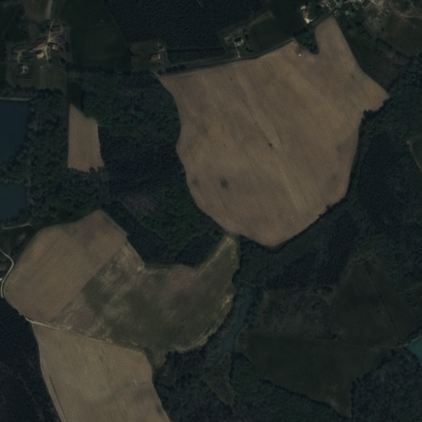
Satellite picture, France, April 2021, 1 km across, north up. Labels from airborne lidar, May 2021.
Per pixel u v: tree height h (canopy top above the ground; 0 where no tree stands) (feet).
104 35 0
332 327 0
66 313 0
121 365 0
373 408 58
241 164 0
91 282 0
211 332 0
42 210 76
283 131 0
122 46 0
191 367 74
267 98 0
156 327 0
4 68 0
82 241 0
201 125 0
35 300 0
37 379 42
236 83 0
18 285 0
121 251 0
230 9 52
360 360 0
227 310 0
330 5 0
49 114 81
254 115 0
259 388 53
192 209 65
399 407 49
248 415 44
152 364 0
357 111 0
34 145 82
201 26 51
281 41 0
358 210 48
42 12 0
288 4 0
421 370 66
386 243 68
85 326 0
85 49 0
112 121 65
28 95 52
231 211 0
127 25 49
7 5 21
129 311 0
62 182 32
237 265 0
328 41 0
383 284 0
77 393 0
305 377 0
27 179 56
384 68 0
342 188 0
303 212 0
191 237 66
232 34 0
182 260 38
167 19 51
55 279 0
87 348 0
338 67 0
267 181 0
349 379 0
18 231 0
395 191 60
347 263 60
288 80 0
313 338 0
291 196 0
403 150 48
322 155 0
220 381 0
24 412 39
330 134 0
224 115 0
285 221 0
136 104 25
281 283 57
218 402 74
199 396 59
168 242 45
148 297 0
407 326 0
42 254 0
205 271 0
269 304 0
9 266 0
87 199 74
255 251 66
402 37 0
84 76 87
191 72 0
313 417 61
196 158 0
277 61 0
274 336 0
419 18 0
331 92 0
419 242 42
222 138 0
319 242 62
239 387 73
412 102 53
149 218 38
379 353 0
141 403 0
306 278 56
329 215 46
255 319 48
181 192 57
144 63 0
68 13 0
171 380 0
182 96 0
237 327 0
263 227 0
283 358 0
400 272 51
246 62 0
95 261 0
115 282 0
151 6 49
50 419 30
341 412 0
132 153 39
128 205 51
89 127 0
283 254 46
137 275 0
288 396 53
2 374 28
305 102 0
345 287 0
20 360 46
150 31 52
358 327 0
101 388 0
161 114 41
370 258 0
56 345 0
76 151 0
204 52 53
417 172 48
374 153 53
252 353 0
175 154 45
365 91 0
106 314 0
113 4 56
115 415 0
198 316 0
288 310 0
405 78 57
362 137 52
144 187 55
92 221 0
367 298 0
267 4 0
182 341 0
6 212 0
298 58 0
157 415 0
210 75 0
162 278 0
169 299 0
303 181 0
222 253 0
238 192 0
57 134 74
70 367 0
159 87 36
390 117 77
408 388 45
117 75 31
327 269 62
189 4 66
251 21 0
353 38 0
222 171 0
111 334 0
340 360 0
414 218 57
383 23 0
